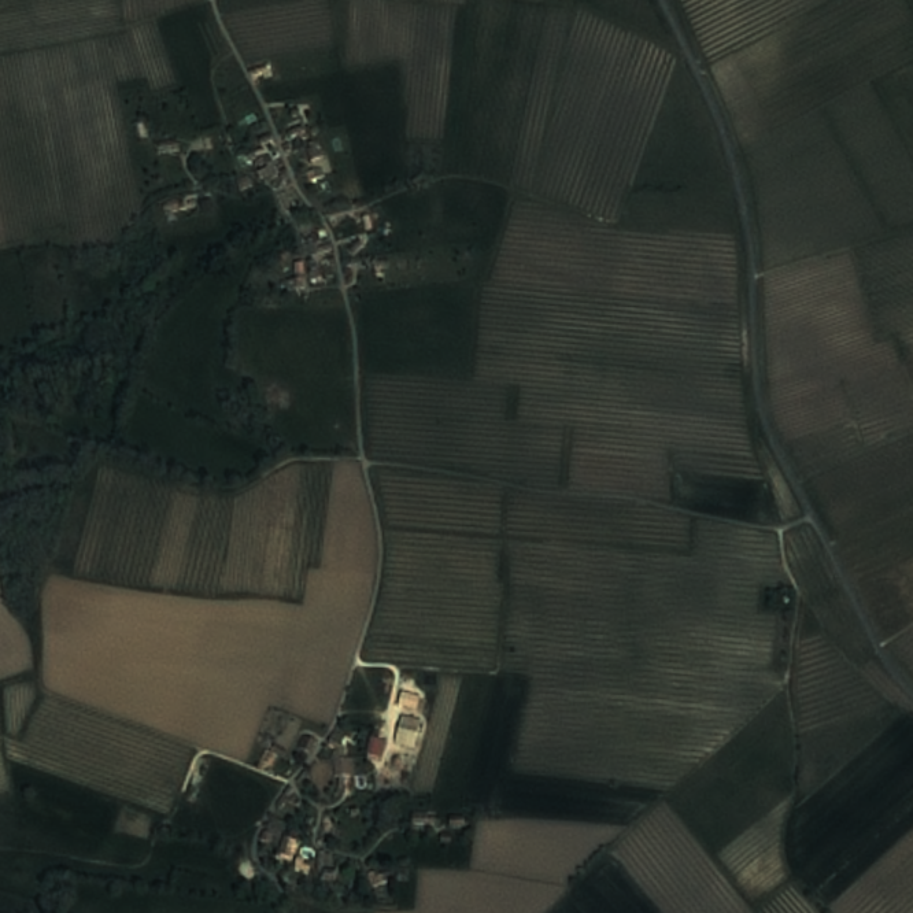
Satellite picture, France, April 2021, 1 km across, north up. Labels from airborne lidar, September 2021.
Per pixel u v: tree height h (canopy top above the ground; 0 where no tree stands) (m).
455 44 0
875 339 0
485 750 0
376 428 0
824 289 0
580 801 0
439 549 0
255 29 0
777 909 0
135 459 20
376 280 0
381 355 0
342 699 0
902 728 0
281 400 0
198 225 0
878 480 0
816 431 0
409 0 0
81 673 0
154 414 0
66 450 0
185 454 0
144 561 0
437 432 0
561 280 0
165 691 0
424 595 0
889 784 0
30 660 0
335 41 0
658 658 0
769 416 0
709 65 0
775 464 0
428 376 0
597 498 0
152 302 15
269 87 0
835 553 0
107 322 14
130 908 0
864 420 0
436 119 0
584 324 0
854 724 0
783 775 0
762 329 0
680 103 0
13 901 0
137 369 15
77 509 0
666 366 0
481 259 0
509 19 0
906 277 0
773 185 0
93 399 22
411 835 14
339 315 0
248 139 8
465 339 0
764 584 0
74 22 0
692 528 0
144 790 0
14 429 14
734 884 0
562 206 0
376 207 6
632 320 0
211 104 0
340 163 0
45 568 15
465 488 0
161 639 0
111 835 0
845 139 0
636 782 0
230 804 0
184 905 0
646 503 0
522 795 0
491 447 0
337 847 15
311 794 5
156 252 10
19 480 23
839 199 0
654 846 0
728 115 0
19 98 0
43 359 17
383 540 0
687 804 0
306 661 0
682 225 0
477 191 0
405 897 0
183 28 0
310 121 12
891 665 0
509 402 0
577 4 0
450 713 0
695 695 0
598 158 0
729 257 0
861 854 0
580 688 0
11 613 14
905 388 0
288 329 0
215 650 0
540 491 0
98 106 0
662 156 0
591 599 0
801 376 0
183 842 10
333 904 22
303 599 0
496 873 0
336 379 0
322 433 0
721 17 0
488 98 0
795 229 0
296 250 7
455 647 0
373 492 0
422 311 0
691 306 0
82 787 0
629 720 0
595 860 8
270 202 0
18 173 0
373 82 0
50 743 0
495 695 0
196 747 0
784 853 0
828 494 0
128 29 0
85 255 15
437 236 0
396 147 0
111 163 0
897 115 0
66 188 0
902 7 0
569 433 0
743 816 0
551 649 0
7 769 0
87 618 0
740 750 0
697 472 0
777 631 0
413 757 0
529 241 0
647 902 0
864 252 0
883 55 0
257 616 0
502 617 0
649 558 0
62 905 22
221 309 0
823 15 0
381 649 0
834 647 0
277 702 0
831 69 0
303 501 0
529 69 0
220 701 0
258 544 0
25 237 0
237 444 0
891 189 0
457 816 0
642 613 0
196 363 0
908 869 0
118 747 0
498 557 0
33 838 0
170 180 0
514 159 0
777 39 0
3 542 19
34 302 0
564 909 0
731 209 0
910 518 0
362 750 7
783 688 0
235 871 0
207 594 0
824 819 0
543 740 0
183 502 0
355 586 0
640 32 0
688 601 0
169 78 0
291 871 17
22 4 0
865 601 0
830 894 0
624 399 0
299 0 0
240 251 17
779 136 0
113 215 0
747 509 0
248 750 0
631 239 0
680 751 0
